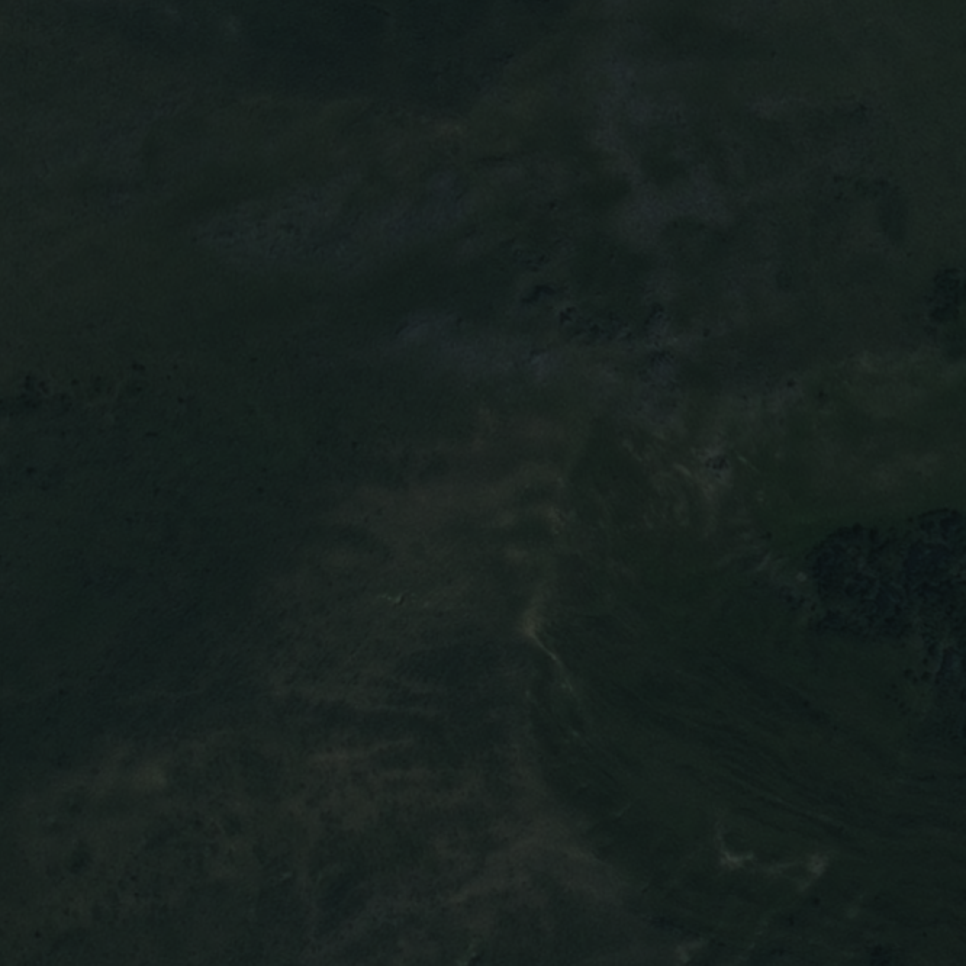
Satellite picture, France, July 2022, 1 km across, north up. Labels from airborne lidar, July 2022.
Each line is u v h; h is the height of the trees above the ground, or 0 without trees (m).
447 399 0
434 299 0
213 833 0
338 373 0
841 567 16
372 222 0
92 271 0
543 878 0
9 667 0
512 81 0
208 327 0
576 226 0
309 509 0
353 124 0
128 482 0
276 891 0
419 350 0
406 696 0
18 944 0
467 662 0
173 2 0
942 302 7
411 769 0
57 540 0
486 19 0
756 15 0
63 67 0
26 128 0
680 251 0
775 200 0
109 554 0
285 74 0
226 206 0
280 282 0
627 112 0
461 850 0
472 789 0
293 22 0
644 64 0
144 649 0
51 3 0
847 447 0
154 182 0
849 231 0
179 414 0
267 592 0
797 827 0
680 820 0
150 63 0
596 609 0
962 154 0
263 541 0
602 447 0
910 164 0
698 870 0
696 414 0
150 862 0
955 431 0
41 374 0
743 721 0
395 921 0
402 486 0
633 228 0
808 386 0
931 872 0
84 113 0
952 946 0
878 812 0
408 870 0
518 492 0
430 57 0
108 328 0
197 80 0
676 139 0
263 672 0
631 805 0
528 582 0
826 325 0
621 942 0
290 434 0
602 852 0
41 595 0
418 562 0
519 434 0
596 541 0
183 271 0
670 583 0
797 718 0
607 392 0
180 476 0
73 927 0
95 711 0
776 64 0
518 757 0
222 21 0
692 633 0
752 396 0
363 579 0
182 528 0
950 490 0
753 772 0
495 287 0
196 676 0
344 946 0
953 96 0
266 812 0
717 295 0
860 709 0
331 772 0
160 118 0
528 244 0
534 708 0
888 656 0
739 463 0
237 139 0
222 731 0
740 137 0
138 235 0
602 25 0
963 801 0
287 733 0
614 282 0
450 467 0
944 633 7
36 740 0
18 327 0
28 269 0
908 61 0
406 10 0
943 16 0
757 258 0
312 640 0
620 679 0
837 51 0
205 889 0
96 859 0
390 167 0
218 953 0
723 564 0
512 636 0
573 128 0
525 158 0
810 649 0
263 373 0
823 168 0
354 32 0
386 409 0
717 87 0
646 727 0
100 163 0
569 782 0
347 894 0
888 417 0
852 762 0
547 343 0
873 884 0
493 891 0
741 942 0
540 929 0
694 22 0
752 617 0
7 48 0
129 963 0
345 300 0
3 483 0
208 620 0
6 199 0
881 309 0
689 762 0
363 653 0
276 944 0
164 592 0
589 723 0
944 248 0
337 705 0
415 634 0
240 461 0
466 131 0
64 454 0
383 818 0
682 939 0
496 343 0
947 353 0
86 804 0
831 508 0
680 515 0
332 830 0
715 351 0
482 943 0
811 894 0
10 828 0
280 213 0
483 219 0
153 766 0
